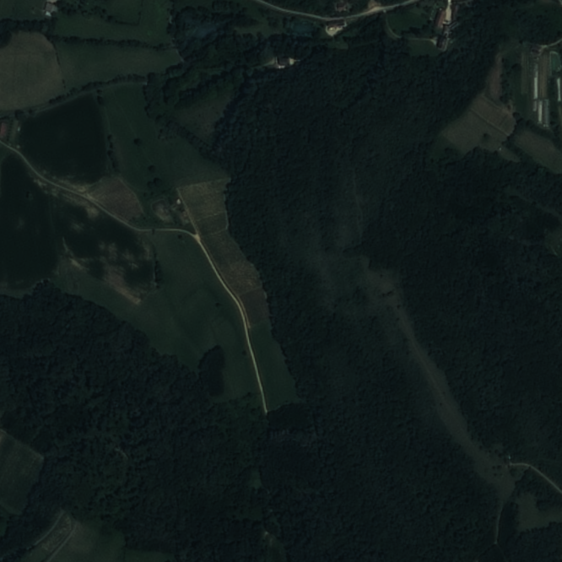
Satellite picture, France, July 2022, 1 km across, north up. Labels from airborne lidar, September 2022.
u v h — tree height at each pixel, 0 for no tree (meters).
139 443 6
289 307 9
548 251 20
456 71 16
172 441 23
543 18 11
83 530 0
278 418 12
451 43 0
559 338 24
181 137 10
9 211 0
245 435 8
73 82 0
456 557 16
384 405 18
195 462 26
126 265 0
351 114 13
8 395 26
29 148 0
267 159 8
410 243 15
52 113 0
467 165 18
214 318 0
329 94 20
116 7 0
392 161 6
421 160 22
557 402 15
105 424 30
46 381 27
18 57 0
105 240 0
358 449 7
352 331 6
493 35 14
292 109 16
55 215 0
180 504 18
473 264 17
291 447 27
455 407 0
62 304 25
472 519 23
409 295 9
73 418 7
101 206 0
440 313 10
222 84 25
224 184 0
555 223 7
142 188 0
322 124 15
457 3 10
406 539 11
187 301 0
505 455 7
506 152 0
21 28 16
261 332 0
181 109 17
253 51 19
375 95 18
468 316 16
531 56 0
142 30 0
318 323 14
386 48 26
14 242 0
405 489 15
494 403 10
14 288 0
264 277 7
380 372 9
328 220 10
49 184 0
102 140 0
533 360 21
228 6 17
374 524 22
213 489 26
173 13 12
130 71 0
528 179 14
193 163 0
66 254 0
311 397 18
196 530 24
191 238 0
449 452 8
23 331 26
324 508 22
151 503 23
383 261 9
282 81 23
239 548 24
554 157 0
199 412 25
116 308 0
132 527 24
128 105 0
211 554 9
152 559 0
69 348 7
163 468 22
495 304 30
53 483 21
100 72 0
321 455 19
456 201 6
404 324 0
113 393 25
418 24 0
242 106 26
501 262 13
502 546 7
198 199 0
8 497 0
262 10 7
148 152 0
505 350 23
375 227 14
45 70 0
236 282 0
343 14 12
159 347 0
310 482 21
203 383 16
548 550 22
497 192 19
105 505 18
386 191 11
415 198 24
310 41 25
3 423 6
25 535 17
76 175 0
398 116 6
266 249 15
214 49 22
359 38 15
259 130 20
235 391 0
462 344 10
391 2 8
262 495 19
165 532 27
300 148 9
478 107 0
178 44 16
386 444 14
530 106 0
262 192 13
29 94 0
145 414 29
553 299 20
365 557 20
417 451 18
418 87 11
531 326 24
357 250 7
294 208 6
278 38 19
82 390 29
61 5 14
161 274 14
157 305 0
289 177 12
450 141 0
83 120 0
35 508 28
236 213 12
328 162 11
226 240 0
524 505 0
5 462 0
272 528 23
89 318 20
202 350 0
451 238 20
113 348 29
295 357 18
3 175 0
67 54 0
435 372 0
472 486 11
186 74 19
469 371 10
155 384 35
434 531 14
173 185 0
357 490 20
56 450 26
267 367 0
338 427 12
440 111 13
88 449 27
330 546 24
